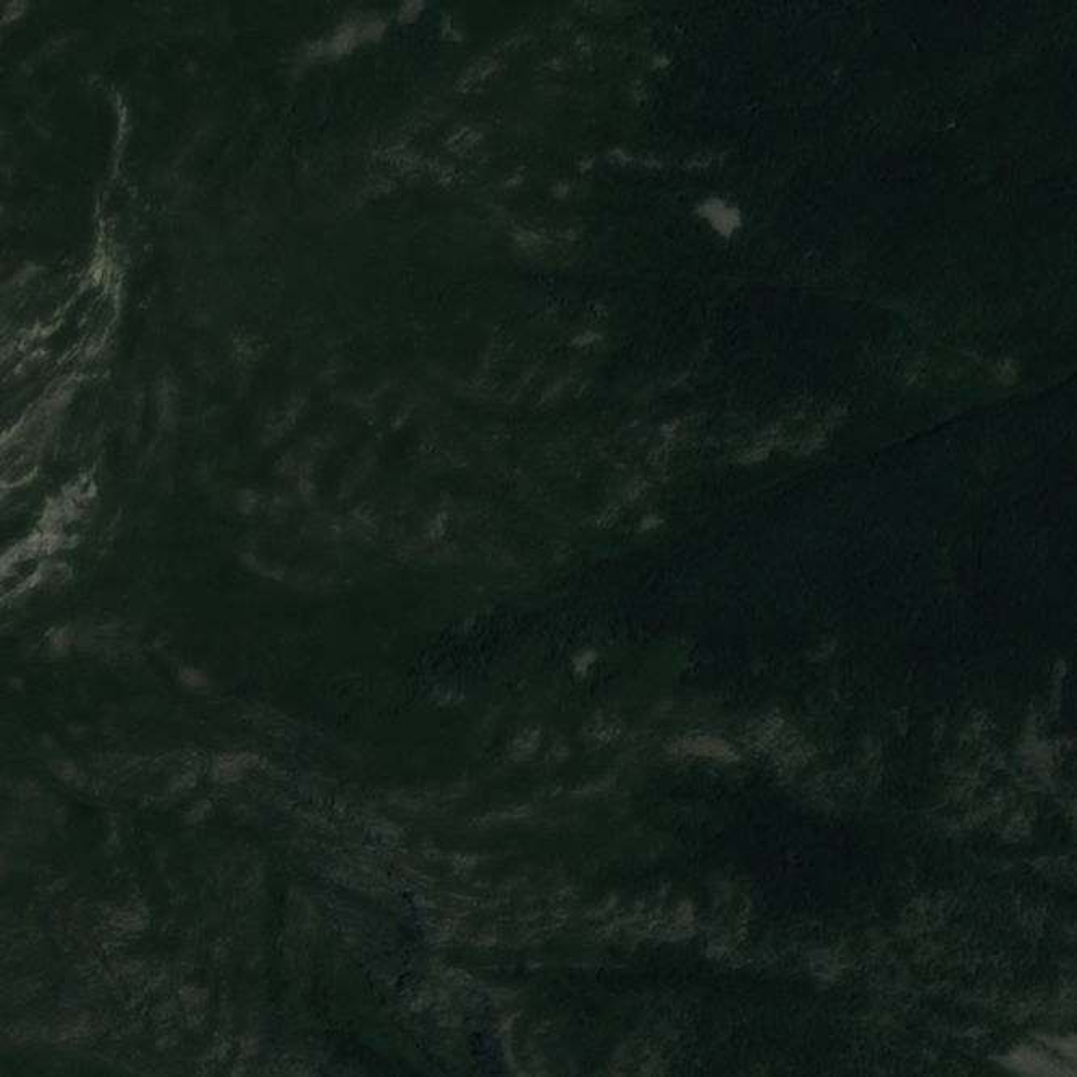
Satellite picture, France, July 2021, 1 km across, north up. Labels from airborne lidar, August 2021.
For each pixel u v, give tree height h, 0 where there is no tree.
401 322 0
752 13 13
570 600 7
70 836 0
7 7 0
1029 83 21
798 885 20
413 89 0
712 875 8
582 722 0
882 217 23
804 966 10
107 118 0
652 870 8
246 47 0
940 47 17
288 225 0
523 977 12
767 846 15
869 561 16
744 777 12
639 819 9
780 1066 13
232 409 0
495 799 0
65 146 0
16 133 0
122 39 0
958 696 17
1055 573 20
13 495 0
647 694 0
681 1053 8
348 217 0
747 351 18
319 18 0
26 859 0
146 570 0
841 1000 9
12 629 0
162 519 0
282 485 0
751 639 15
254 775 0
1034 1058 0
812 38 18
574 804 0
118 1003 0
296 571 0
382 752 0
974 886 7
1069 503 25
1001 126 16
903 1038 9
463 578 0
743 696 9
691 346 10
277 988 11
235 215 0
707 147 6
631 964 10
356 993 0
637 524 8
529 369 0
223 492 0
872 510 13
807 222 15
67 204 0
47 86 0
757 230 15
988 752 6
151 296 0
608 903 0
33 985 0
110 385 0
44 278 0
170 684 0
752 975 16
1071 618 19
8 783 0
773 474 7
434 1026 7
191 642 0
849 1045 9
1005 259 22
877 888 22
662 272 8
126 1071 0
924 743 17
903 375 9
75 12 0
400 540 0
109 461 0
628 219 6
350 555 0
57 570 0
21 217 0
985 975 16
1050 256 20
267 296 0
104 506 0
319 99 0
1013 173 13
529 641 7
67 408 0
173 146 0
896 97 15
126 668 0
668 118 16
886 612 19
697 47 18
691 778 6
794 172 13
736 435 6
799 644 15
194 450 0
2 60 0
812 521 8
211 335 0
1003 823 8
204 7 0
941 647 17
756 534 9
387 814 0
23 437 0
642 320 11
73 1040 0
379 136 0
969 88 14
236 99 0
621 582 8
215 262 0
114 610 0
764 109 18
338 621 0
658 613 11
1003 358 9
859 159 13
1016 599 23
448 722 0
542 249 0
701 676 8
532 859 0
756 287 6
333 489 0
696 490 9
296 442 0
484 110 0
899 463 14
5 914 0
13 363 0
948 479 14
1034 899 11
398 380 0
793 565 11
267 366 0
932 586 14
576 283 8
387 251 0
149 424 0
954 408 8
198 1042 0
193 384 0
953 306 13
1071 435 12
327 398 0
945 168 21
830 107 14
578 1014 9
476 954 0
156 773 0
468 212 0
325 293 0
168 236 0
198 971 6
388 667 0
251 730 0
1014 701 14
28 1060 0
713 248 6
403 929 9
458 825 0
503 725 0
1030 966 20
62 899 0
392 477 0
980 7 20
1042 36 14
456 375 0
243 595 0
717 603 11
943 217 21
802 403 13
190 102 0
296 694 0
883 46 19
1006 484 15
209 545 0
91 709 0
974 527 15
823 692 12
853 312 18
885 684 17
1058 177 15
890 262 20
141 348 0
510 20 0
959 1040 11
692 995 6
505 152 0
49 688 0
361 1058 15
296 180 0
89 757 0
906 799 16
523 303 0
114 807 0
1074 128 16
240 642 0
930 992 5
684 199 10
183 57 0
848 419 12
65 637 0
